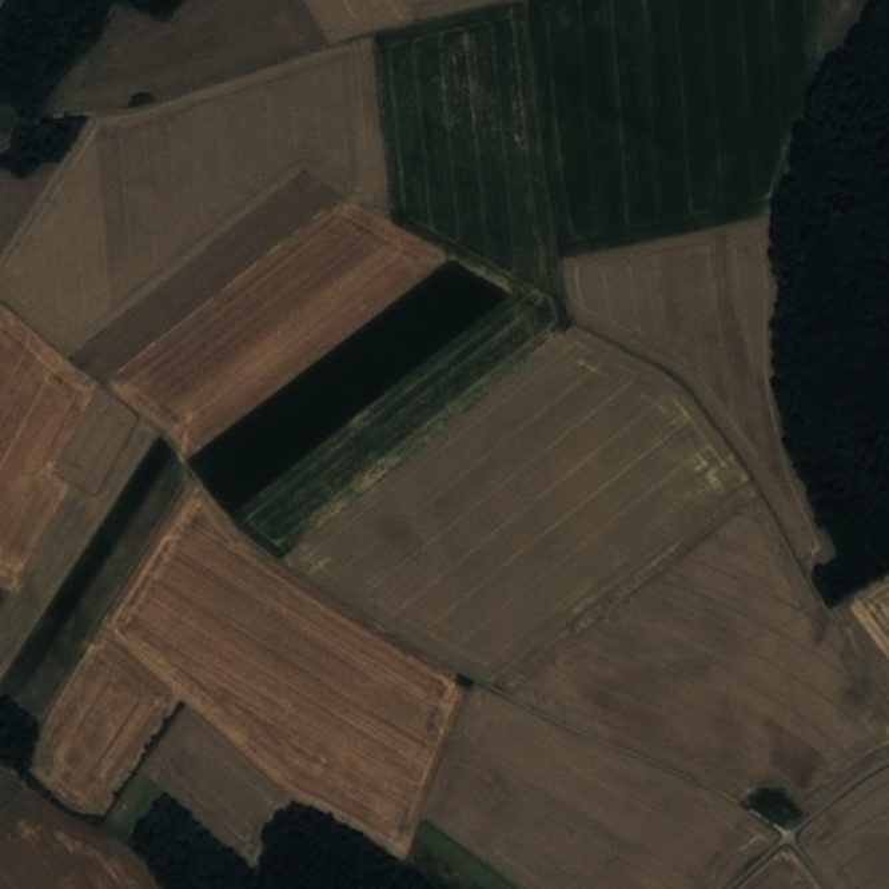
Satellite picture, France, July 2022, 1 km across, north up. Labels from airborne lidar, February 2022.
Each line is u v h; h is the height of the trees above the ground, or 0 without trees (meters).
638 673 0
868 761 0
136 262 0
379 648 0
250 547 0
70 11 19
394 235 0
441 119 0
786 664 0
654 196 0
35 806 0
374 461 0
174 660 0
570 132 0
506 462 0
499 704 0
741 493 0
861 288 23
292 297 0
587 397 0
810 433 21
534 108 0
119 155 0
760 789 0
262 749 0
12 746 18
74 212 0
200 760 0
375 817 0
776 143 0
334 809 0
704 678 0
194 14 0
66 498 0
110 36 0
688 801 0
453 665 0
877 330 26
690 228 0
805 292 22
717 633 0
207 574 0
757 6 0
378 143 0
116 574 0
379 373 0
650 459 0
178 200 0
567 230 0
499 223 0
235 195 0
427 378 0
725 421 0
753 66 0
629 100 0
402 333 0
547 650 0
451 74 0
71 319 0
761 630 0
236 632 0
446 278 0
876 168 23
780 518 0
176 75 0
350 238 0
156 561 0
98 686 0
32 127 12
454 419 0
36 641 0
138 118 0
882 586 0
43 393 0
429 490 0
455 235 0
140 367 0
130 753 0
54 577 0
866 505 23
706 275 0
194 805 0
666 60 0
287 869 20
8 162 15
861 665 0
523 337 0
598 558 0
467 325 0
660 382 0
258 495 0
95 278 0
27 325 0
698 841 0
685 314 0
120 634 0
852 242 24
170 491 0
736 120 0
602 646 0
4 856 0
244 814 0
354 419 0
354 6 0
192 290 0
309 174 0
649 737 0
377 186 0
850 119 22
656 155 0
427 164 0
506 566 0
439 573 0
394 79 0
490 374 0
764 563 0
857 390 26
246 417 0
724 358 0
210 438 0
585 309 0
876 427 13
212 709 0
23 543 0
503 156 0
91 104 0
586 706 0
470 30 0
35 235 0
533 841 0
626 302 0
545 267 0
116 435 0
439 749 0
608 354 0
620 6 0
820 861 0
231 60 0
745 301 0
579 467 0
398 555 0
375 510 0
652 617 0
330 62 0
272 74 0
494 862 0
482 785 0
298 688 0
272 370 0
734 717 0
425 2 0
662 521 0
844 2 0
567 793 0
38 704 0
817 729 0
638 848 0
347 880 22
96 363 0
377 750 0
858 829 0
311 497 0
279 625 0
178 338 0
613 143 0
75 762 0
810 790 0
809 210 23
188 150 0
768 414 0
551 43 0
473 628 0
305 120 0
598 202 0
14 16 17
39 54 18
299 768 0
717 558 0
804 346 25
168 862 17
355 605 0
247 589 0
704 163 0
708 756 0
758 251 0
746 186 0
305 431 0
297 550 0
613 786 0
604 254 0
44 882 0
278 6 0
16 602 0
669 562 0
